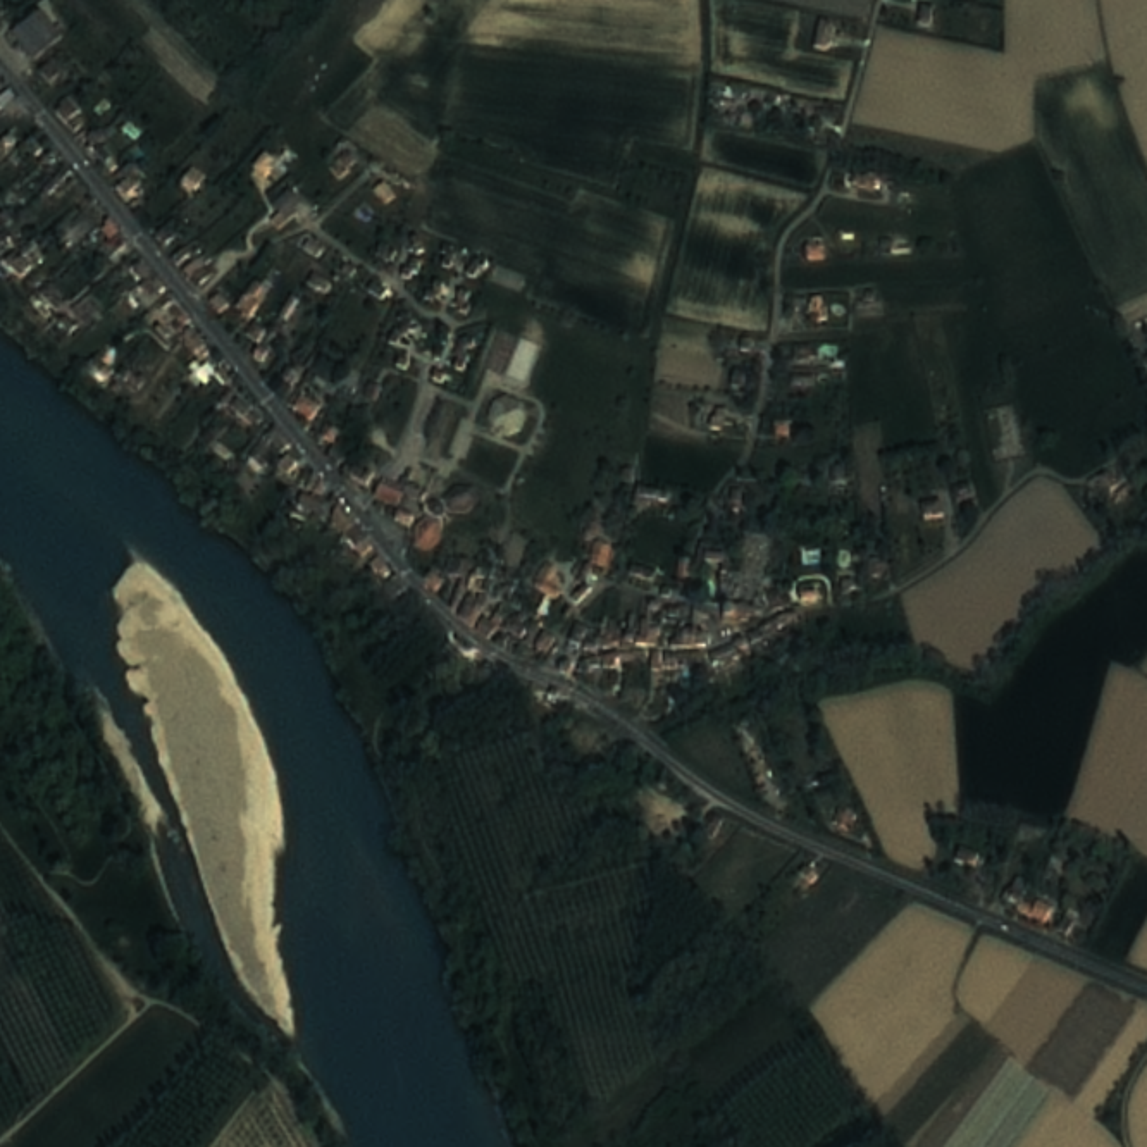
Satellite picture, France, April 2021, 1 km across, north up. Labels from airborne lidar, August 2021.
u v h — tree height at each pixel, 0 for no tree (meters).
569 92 0
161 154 8
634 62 0
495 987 10
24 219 11
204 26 8
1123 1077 7
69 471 0
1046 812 0
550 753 25
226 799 0
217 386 7
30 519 0
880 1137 23
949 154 0
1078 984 0
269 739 0
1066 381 0
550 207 0
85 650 0
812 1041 18
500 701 28
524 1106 18
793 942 0
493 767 29
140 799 21
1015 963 0
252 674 0
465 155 0
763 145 0
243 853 0
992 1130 0
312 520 10
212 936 0
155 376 0
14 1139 0
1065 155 0
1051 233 0
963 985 0
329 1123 7
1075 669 0
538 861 28
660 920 26
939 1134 0
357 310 0
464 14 0
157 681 0
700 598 23
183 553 0
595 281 0
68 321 0
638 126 0
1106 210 0
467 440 0
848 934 0
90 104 13
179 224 8
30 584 0
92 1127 0
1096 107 0
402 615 14
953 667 9
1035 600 14
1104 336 0
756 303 0
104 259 9
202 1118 19
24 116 0
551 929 29
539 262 0
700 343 0
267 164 0
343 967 0
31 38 0
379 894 0
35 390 0
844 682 30
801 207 0
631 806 13
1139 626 0
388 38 0
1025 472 0
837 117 9
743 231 0
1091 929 9
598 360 0
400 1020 0
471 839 27
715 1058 0
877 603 7
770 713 29
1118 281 0
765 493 7
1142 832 0
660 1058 17
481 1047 21
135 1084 0
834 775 8
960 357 0
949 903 0
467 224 0
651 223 0
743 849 0
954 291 0
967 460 9
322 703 0
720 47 0
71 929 17
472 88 0
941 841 13
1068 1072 0
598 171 0
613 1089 24
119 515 0
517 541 0
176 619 0
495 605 0
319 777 0
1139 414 0
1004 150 0
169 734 0
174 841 0
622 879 27
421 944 0
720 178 0
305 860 0
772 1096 21
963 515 10
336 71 0
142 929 0
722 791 0
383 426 12
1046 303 0
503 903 26
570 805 22
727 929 27
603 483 10
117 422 13
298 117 0
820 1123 25
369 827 0
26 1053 28
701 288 0
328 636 17
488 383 0
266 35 10
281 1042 8
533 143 0
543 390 0
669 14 0
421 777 25
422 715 23
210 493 11
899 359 0
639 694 0
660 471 0
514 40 0
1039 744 0
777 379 12
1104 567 20
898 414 0
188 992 24
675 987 34
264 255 9
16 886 14
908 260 0
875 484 0
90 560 0
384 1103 0
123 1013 26
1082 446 0
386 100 0
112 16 0
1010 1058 0
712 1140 9
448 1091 0
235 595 0
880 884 0
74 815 16
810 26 0
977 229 0
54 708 20
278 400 0
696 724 9
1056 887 10
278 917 0
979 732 0
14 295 10
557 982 27
